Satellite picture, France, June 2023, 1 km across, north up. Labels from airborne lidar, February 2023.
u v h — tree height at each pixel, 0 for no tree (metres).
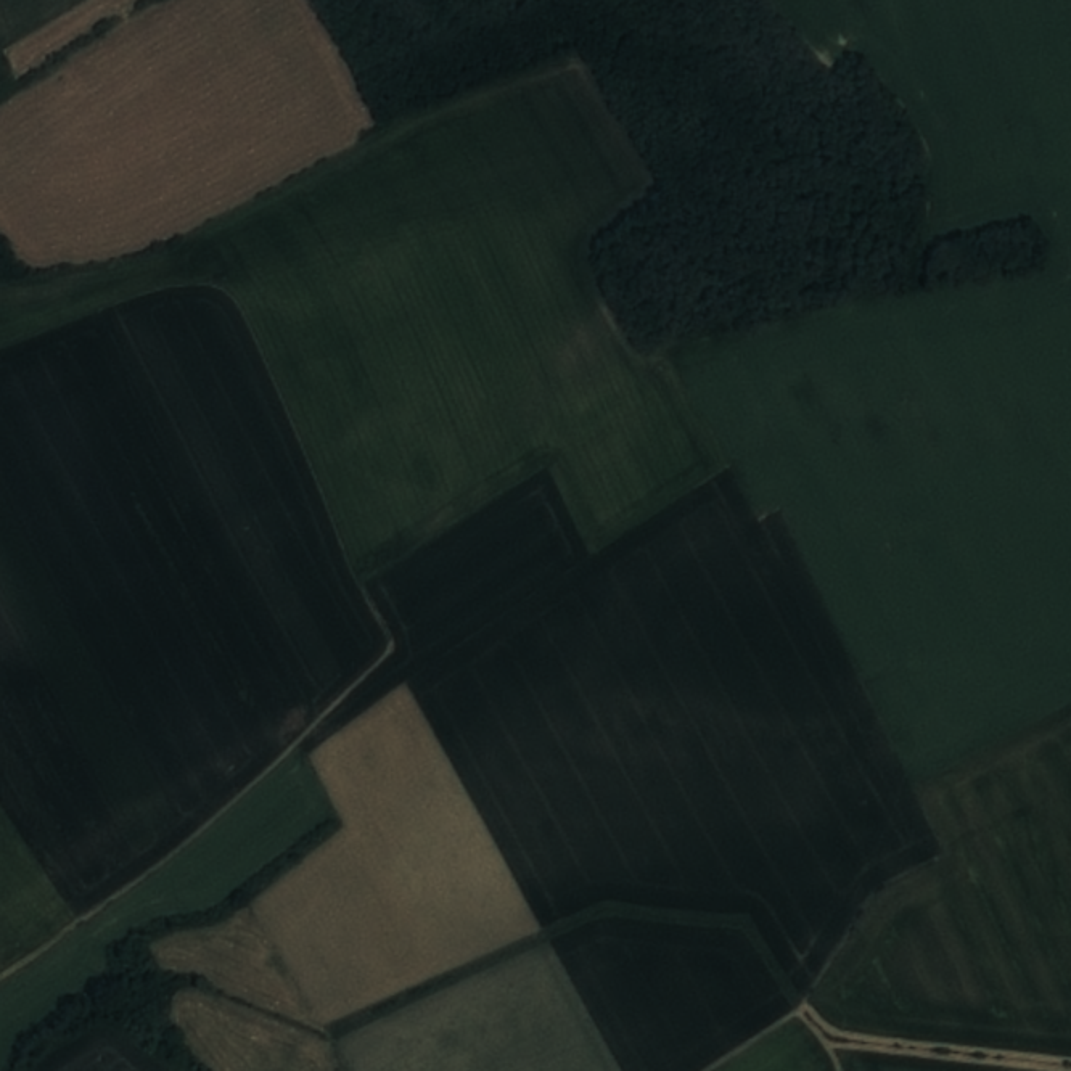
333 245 0
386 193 0
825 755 0
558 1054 0
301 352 0
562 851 0
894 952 0
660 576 0
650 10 19
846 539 0
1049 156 0
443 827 0
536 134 0
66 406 0
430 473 0
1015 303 0
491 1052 0
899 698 0
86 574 0
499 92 0
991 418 0
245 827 0
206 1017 0
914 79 0
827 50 0
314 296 0
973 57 0
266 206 0
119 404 0
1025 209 0
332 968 0
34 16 0
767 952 0
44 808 0
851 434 0
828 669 0
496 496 0
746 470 0
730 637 0
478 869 0
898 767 0
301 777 0
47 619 0
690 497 0
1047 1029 0
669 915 0
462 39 23
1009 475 0
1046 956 0
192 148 0
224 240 0
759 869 0
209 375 0
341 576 0
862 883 0
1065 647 0
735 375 0
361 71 14
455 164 0
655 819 0
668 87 25
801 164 27
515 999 0
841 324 0
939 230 0
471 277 0
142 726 0
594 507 0
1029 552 0
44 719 0
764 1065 0
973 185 0
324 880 0
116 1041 0
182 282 0
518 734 0
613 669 0
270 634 0
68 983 0
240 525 0
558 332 0
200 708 0
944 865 0
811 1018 0
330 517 0
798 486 0
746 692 0
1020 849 0
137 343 0
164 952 0
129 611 0
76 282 0
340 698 0
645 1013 0
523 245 0
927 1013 0
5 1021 0
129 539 0
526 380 0
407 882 0
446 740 0
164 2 0
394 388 0
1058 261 0
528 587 0
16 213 0
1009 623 0
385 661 0
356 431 0
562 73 0
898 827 0
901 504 0
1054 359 0
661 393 0
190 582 0
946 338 0
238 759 0
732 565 0
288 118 0
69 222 0
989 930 0
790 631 0
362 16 22
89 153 0
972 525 0
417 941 0
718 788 0
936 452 0
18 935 0
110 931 0
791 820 0
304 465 0
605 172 0
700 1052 0
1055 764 0
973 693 0
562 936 0
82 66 0
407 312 0
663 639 0
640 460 0
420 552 0
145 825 0
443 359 0
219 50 0
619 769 0
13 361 0
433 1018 0
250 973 0
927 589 0
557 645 0
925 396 0
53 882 0
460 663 0
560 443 0
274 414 0
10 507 0
